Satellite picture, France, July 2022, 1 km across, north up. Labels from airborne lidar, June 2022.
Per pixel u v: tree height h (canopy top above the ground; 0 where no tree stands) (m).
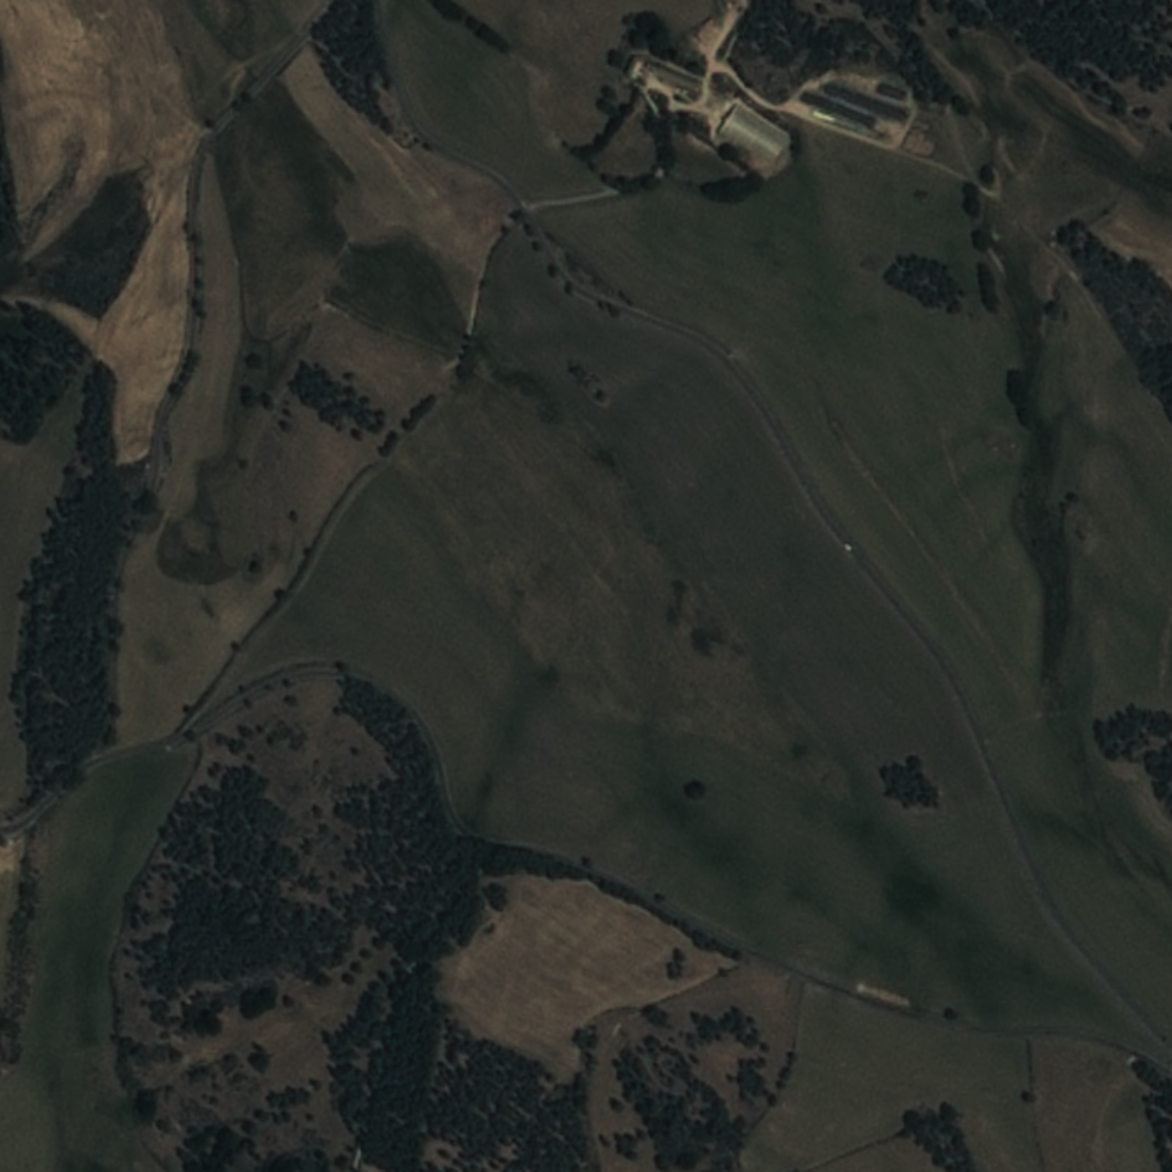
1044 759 0
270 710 0
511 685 0
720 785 0
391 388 0
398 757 13
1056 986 0
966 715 0
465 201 0
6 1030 9
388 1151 16
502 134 0
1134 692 0
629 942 0
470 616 0
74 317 0
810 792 0
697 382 0
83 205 0
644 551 0
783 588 0
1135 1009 0
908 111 0
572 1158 18
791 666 0
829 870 0
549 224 0
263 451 0
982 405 0
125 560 0
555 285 0
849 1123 0
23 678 15
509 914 0
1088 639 0
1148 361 7
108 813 0
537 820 0
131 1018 0
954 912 0
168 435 0
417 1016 16
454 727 0
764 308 0
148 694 0
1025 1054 0
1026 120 0
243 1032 0
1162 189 0
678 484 0
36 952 0
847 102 0
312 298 0
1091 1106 0
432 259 0
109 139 0
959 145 0
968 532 0
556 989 0
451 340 0
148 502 15
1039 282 0
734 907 0
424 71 0
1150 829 0
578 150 7
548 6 0
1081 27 12
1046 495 0
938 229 0
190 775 0
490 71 0
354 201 0
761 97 0
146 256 0
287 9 0
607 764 0
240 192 0
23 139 0
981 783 0
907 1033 0
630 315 0
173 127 0
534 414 0
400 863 11
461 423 0
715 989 0
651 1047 10
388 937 20
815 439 0
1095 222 0
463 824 0
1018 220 0
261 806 17
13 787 0
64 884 0
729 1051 0
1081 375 0
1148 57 15
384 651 0
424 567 0
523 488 0
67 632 18
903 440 0
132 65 0
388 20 0
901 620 0
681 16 0
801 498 0
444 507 0
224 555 0
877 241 0
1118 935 0
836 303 0
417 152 0
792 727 0
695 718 0
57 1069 0
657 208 0
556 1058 0
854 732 0
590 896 0
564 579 0
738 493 0
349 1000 0
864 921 0
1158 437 0
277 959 11
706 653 0
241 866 13
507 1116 18
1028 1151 0
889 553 0
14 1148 0
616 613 0
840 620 0
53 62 0
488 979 0
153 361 0
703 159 0
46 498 0
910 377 0
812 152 0
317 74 0
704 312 0
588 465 0
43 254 0
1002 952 0
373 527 0
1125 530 0
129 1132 0
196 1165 13
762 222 0
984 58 0
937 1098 0
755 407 0
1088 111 0
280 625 0
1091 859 0
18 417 17
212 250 0
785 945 0
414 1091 13
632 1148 8
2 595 0
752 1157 0
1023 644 0
